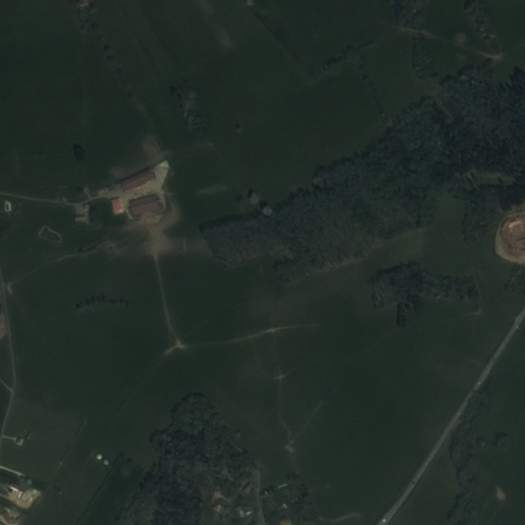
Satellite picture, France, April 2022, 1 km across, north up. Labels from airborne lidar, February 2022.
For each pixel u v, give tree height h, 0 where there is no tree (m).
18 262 0
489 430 0
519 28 0
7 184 0
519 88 24
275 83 0
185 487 24
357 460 0
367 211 22
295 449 0
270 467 0
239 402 0
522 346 0
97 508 0
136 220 0
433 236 0
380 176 26
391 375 0
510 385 0
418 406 0
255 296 0
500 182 0
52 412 0
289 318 0
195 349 0
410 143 25
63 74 0
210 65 0
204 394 0
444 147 23
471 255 0
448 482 0
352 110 0
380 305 24
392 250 0
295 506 9
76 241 0
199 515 21
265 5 0
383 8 0
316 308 0
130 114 0
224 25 0
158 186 0
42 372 0
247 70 0
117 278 0
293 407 0
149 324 0
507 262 0
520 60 0
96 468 0
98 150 0
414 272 24
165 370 0
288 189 0
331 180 29
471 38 0
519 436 0
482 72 14
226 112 0
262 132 0
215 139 0
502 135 16
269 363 0
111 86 0
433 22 0
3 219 0
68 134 0
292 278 26
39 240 0
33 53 0
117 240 0
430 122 26
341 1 0
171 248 0
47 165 0
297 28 0
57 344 0
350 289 0
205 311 0
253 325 0
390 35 0
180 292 0
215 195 0
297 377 0
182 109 14
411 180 23
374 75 0
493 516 0
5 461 0
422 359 0
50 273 0
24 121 0
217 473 18
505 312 0
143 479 0
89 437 0
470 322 0
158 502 22
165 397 0
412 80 0
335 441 0
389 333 0
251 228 27
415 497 0
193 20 0
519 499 0
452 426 0
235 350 0
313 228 27
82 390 0
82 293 0
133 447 0
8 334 0
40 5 0
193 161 0
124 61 0
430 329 0
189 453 20
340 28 0
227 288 0
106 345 0
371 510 0
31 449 0
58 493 7
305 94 0
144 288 0
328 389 0
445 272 0
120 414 0
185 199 0
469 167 23
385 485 0
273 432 0
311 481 0
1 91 0
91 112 0
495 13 0
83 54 0
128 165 0
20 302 0
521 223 0
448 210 0
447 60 0
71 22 0
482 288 0
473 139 21
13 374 0
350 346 0
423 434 0
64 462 0
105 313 0
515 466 0
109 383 0
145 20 0
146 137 0
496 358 0
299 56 0
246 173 0
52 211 0
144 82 0
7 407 0
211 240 24
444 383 0
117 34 0
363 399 0
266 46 0
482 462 0
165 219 0
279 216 19
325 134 0
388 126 0
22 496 0
